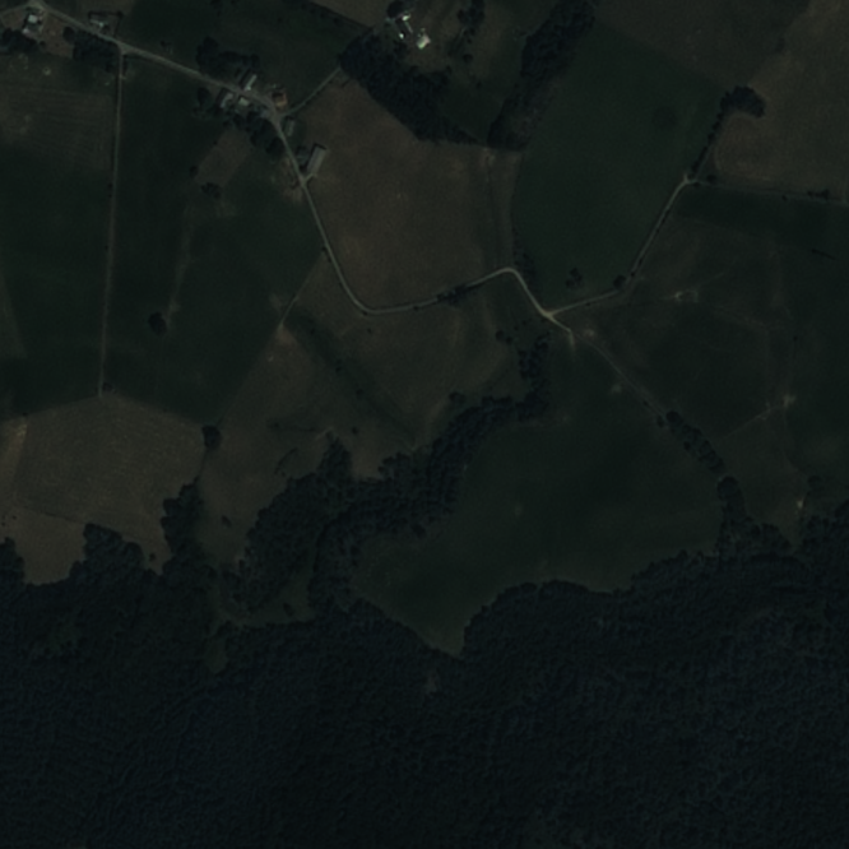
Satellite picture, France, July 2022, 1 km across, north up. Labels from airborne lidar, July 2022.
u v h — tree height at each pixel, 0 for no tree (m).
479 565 0
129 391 0
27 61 0
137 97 0
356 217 0
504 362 0
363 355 0
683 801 9
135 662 11
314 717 9
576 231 0
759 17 0
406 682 23
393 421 0
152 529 0
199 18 0
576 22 12
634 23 0
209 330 0
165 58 0
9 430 0
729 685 18
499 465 0
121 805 13
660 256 0
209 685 12
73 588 21
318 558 7
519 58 0
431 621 0
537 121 0
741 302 0
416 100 30
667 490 0
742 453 0
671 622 21
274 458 0
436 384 0
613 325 0
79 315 0
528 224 0
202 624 15
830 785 10
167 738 21
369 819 28
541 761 17
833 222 0
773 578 26
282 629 8
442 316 0
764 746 13
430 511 13
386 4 0
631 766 19
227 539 0
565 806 19
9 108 0
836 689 17
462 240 0
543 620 25
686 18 0
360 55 28
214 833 18
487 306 0
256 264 0
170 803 19
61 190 0
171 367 0
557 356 0
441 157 0
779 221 0
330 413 0
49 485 0
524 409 12
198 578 21
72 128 0
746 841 11
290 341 0
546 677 7
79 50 8
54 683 23
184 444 0
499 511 0
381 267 0
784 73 0
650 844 18
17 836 17
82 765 20
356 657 13
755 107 22
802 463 0
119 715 23
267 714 18
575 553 0
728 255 0
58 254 0
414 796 21
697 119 0
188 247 0
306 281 0
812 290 0
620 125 0
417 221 0
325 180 0
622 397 0
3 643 21
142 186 0
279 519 15
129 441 0
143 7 0
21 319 0
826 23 0
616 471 0
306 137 0
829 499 0
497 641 21
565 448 0
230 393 0
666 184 0
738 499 17
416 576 0
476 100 0
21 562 12
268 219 0
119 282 0
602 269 0
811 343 0
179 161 0
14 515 0
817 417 0
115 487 0
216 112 17
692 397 0
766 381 0
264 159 0
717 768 15
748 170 0
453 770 12
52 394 0
